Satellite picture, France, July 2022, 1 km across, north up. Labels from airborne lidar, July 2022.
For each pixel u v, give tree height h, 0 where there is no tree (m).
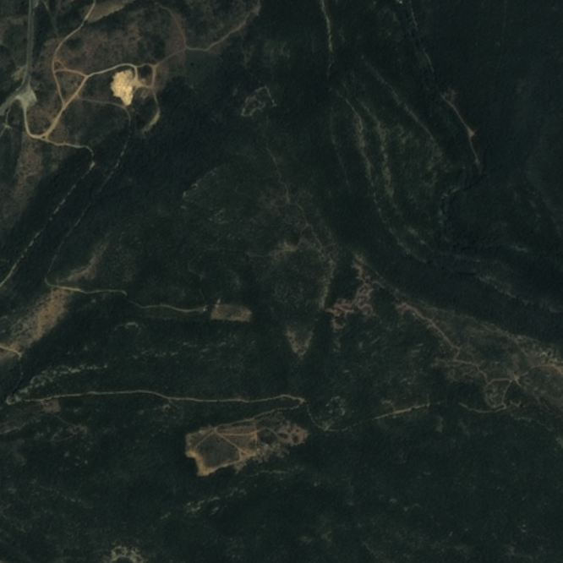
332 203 10
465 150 6
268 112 6
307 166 6
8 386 6
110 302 6
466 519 6
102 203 6
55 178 8
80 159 6
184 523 6
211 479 8
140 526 7
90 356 7
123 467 6
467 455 6
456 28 7
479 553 7
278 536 7
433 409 7
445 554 5
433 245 9
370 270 7
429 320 0
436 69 8
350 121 7
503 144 6
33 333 0
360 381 6
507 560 6
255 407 6
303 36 6
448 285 5
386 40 8
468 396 8
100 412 8
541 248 10
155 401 7
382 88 8
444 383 6
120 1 0
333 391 6
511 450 6
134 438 6
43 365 10
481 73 6
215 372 6
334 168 5
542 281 12
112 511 6
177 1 6
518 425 6
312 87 9
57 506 7
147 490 10
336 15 8
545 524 6
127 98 0
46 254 6
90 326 10
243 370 6
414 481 6
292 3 7
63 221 6
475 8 5
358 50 6
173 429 10
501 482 6
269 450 0
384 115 6
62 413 7
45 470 6
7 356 0
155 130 9
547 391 0
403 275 6
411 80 6
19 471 8
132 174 7
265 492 8
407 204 7
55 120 0
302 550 7
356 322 6
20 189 0
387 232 9
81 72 0
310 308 6
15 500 5
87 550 6
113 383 8
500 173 5
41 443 6
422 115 9
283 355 7
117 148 6
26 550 8
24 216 8
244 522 6
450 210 9
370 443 8
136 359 7
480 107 7
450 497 7
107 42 0
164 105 6
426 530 7
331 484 6
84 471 5
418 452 7
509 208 8
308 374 9
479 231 10
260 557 7
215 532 6
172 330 6
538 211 6
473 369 0
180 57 0
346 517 7
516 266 7
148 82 0
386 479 6
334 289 6
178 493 9
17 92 0
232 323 9
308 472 8
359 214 7
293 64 7
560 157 7
